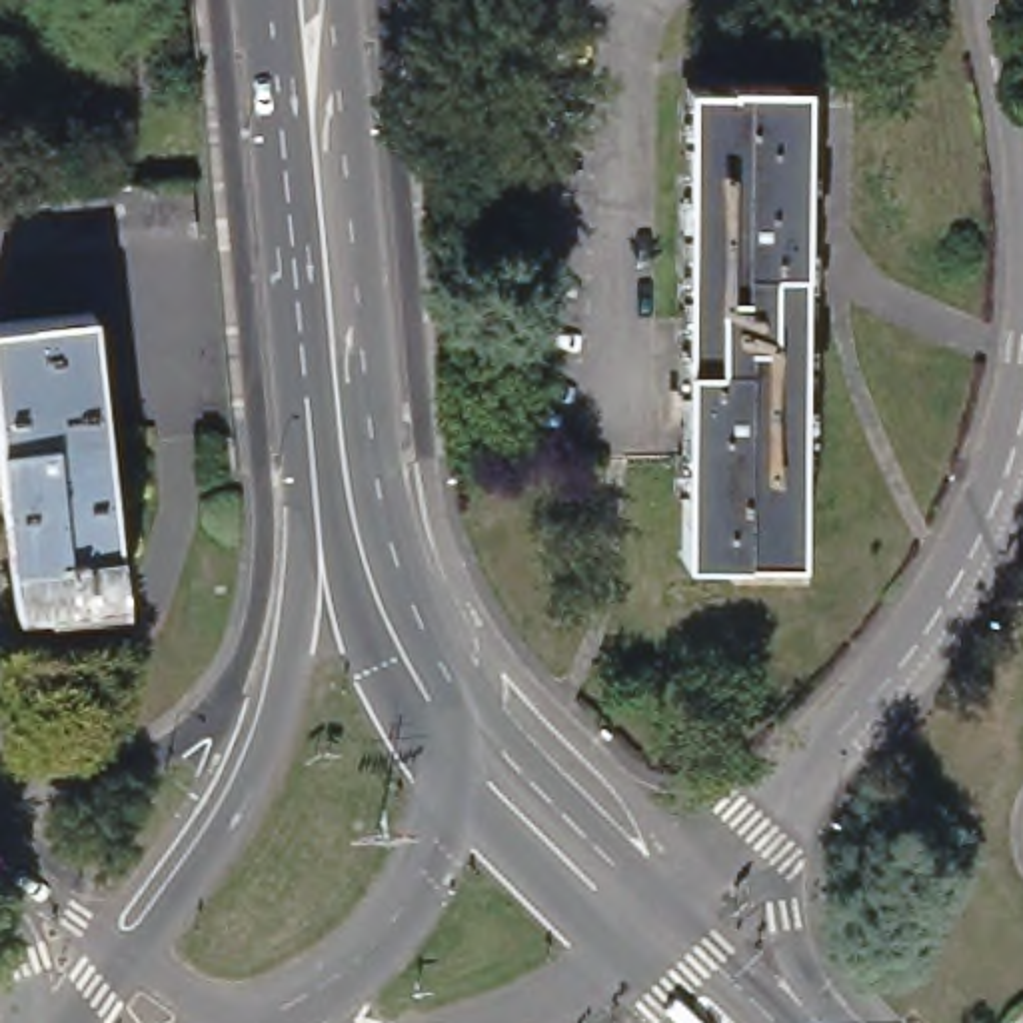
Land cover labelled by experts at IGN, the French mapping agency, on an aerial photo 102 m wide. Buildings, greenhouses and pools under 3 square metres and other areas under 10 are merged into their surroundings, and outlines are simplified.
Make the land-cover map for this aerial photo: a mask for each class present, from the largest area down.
<instances>
[{"label":"impervious surface","instance_id":"1","mask_svg":"<svg viewBox=\"0 0 1023 1023\"><path fill-rule=\"evenodd\" d=\"M563 16L575 20V28H587L599 40L595 68L619 76L623 92L615 100L599 96L591 104V116L567 112L571 148L583 156V168L571 176L567 188L575 196L583 224L579 244L559 268V344L539 360V384L563 388V400L551 404L539 440L559 448L567 464L583 456L603 460V484L619 488L631 464L675 468L679 476L687 468V424L671 416V400L675 388H683V356L691 348L687 316H655V96L663 72L655 48L671 16L687 4L683 80L695 92L819 96L815 380L827 384L843 372L867 448L887 480V492L907 531L919 539V559L883 607V615L875 619V627L815 691L791 719L771 727V739L763 743L767 775L759 783L735 787L731 795L711 803V811L667 815L651 803L659 771H643L611 739V731L595 727V719L575 703L607 635L587 631H583L567 675H547L535 663V655L508 635L500 615L488 607L476 579L472 547L460 531V512L456 476L436 432V324L424 316V292H432V264L424 240V184H416L404 172V164L392 160L380 144L376 112L380 80L396 84L416 76L396 40V0H192L196 52L204 56L200 104V180H164L152 188L132 184L112 200L64 208L24 216L0 236V332L76 324L104 328L128 535V547L116 555L128 571L136 607L132 623L112 627H20L12 599L8 535L0 523V659L16 651H32L40 659L132 651L148 659L152 623L176 591V575L196 527L200 496L192 480V432L204 412H220L232 424L228 468L244 488L240 547L236 603L212 663L176 699V707H168L144 731L84 779L20 783L4 771L0 759V895L12 899V911L24 915L20 935L28 947L24 963L12 971V987L0 991V1023H887L891 1011L879 999H863L835 967L823 963V851L819 835L839 831L831 807L843 783L867 759L887 707L895 699H919L935 691L947 671L951 619H971L979 599L995 583V567L1015 559V508L1023 500V132L1003 116L999 104V56L991 52V16L999 24L1023 28V0H951V24L963 32V48L971 52L979 72V108L995 184V320H979L887 280L855 248L847 216L855 188L851 116L847 96H831L819 40H771L767 28H747L731 36L719 28V16L731 8V0H551ZM851 308H867L871 316L903 332H915L927 344L971 356L987 368L979 408L963 444L967 464L955 468L951 492L935 523L923 519V508L915 504L911 484L891 452L871 388L863 384L855 336L847 324ZM344 663L352 667V691L372 735L380 739V751L408 783L404 819H380L376 835H356V847H384L388 863L372 879L360 907L312 951L288 959L284 967L260 979L204 975L180 951L184 931L192 927L196 907L224 883L228 867L256 835V823L264 819L272 795L284 787L292 743L304 731V699H324ZM152 771L160 775V787L152 795V815L136 835L144 859L128 871L120 887H100L88 871H76L48 855L36 827L52 811V803H88L108 783ZM468 859H476L492 875V883L508 891L555 939L551 959L539 971L515 979L512 987H500L456 1007L392 1019L376 1015L384 983L400 975L416 959L420 943L436 931Z\"/></svg>","mask_w":1023,"mask_h":1023},{"label":"deciduous trees","instance_id":"2","mask_svg":"<svg viewBox=\"0 0 1023 1023\"><path fill-rule=\"evenodd\" d=\"M144 100L152 108L200 104L204 56L196 52L192 0H0V200L40 196L44 188H56V200L64 208L112 200L132 184V168L144 160L136 152V140ZM396 40L416 76L396 84L380 80L376 112L380 144L392 160L404 164V172L416 184H424V240L432 264V292H424V316L436 324V432L456 476L460 512L468 508V496H515L531 512V535L547 543L539 555L543 571L551 575L547 615L575 619L583 631H587V615L595 607L627 599V496L619 488L603 484V460L583 456L567 464L559 448L539 440L551 404L563 400V388L539 384V360L559 344V268L579 244L583 224L575 196L567 188L571 176L583 168V156L571 148L567 112L591 116V104L599 96L615 100L623 92L619 76L595 68L599 40L587 28H575V20L563 16L551 0H396ZM719 28L731 36L747 28H767L771 40H819L831 96H847L851 116L859 124L887 116L907 120L915 104V84L931 80L935 60L951 48V0H731V8L719 16ZM991 52L999 56V104L1003 116L1023 132V28L999 24L991 16ZM775 619L759 599L703 607L675 623L663 639L607 635L575 703L595 719V727L611 731V739L643 771H659L651 803L667 815L711 811V803L731 795L735 787L759 783L767 775L763 743L771 739V727L791 719L815 691L803 679H795L787 691L771 687L767 643ZM148 659L132 651L40 659L32 651H16L0 659V759L4 771L20 783L84 779L144 731L136 683L144 679ZM160 787V775L152 771L108 783L88 803H52V811L36 827L48 855L76 871H88L100 887H120L128 871L144 859L136 835L152 815V795ZM823 963L835 967L863 999H879L923 987L915 975L919 943L907 939L915 931V911H923L927 903H935L939 911L951 907L967 875L939 879L931 851L915 835H879L871 839V847L823 851ZM24 915L12 911V899L0 895V991L12 987V971L24 963L28 947L20 935Z\"/></svg>","mask_w":1023,"mask_h":1023},{"label":"herbaceous vegetation","instance_id":"3","mask_svg":"<svg viewBox=\"0 0 1023 1023\"><path fill-rule=\"evenodd\" d=\"M663 72L655 96V316H687V292H679L675 260L683 232L679 212L691 200L687 124L695 92L683 80L687 4L671 16L655 48ZM951 48L935 60L931 80L915 84V104L907 120L887 116L859 124L851 116L855 188L847 216L855 248L887 280L979 320H995V276H987L975 264L939 256L935 240L955 220H967L983 204V192L995 184L979 108V72L971 52L963 48V32L951 24ZM136 152L144 160L132 168V184L152 188L164 180H200V104L152 108L144 100L136 140ZM64 208L56 200V188H44L40 196L0 200V236L24 216ZM847 324L855 336L863 384L871 388L891 452L911 484L915 504L923 508V519L935 523L951 492L955 468L967 464L963 444L979 408L987 368L971 356L927 344L915 332H903L871 316L867 308H851ZM819 440L811 583L743 587L691 579L679 555V476L675 468L631 464L619 488L627 496V599L595 607L587 615V631L607 635L663 639L675 623L703 607L759 599L775 619L767 643L771 687L787 691L795 679H803L815 691L875 627V619L883 615V607L919 559V539L907 531L887 492V480L867 448L843 372L827 384L815 380ZM460 531L472 547L476 579L488 607L500 615L508 635L535 655V663L547 675H567L583 631L575 619L547 615L551 575L543 571L539 555L547 543L531 535V512L515 496H468V508L460 512ZM240 547H216L196 527L176 575V591L152 623L148 659L144 679L136 683L144 731L168 707H176V699L212 663L236 603ZM839 831L819 835L823 851L871 847V839L879 835H915L931 851L939 879L967 875L951 907L939 911L935 903H927L923 911H915V931L907 939L919 943L915 975L923 987L879 999L891 1011L887 1023H959V1015L971 1003L995 1007L1023 987V615L1015 619V651L995 667L991 703L983 719H959V711L935 703V691L919 699H895L887 707L867 759L843 783L831 807ZM408 783L380 751V739L372 735L352 691V667L344 663L324 699H304V731L292 743L284 787L272 795L264 819L256 823V835L228 867L224 883L196 907L192 927L184 931L180 951L204 975L260 979L284 967L288 959L312 951L360 907L372 879L388 863L384 847H356V835H376L380 819H404ZM555 939L508 891L492 883V875L476 859H468L436 931L420 943L416 959L400 975L384 983L376 1015L392 1019L456 1007L500 987H512L515 979L539 971L551 959Z\"/></svg>","mask_w":1023,"mask_h":1023},{"label":"building","instance_id":"4","mask_svg":"<svg viewBox=\"0 0 1023 1023\"><path fill-rule=\"evenodd\" d=\"M691 200L679 212L683 232L675 260L679 292H687V316L691 348L683 356V388H675L671 400V416L687 424V468L679 476V555L691 579L743 587L811 583L819 440L815 380L819 96L695 92L687 124ZM0 523L8 535L12 599L20 627H112L132 623L136 607L128 571L116 555L128 547V535L104 328L76 324L0 332Z\"/></svg>","mask_w":1023,"mask_h":1023},{"label":"brushwood","instance_id":"5","mask_svg":"<svg viewBox=\"0 0 1023 1023\"><path fill-rule=\"evenodd\" d=\"M939 256L975 264L987 276H995V184L983 192V204L967 220H955L935 240ZM232 424L220 412H204L192 432V480L200 496L196 527L216 547H240L244 488L228 468ZM1023 615V500L1015 508V559L995 567V583L979 599L971 619H951L947 671L935 691V703L959 711V719H983L991 703L995 667L1015 651V619ZM959 1023H1023V987L995 1007L971 1003L959 1015Z\"/></svg>","mask_w":1023,"mask_h":1023}]
</instances>
